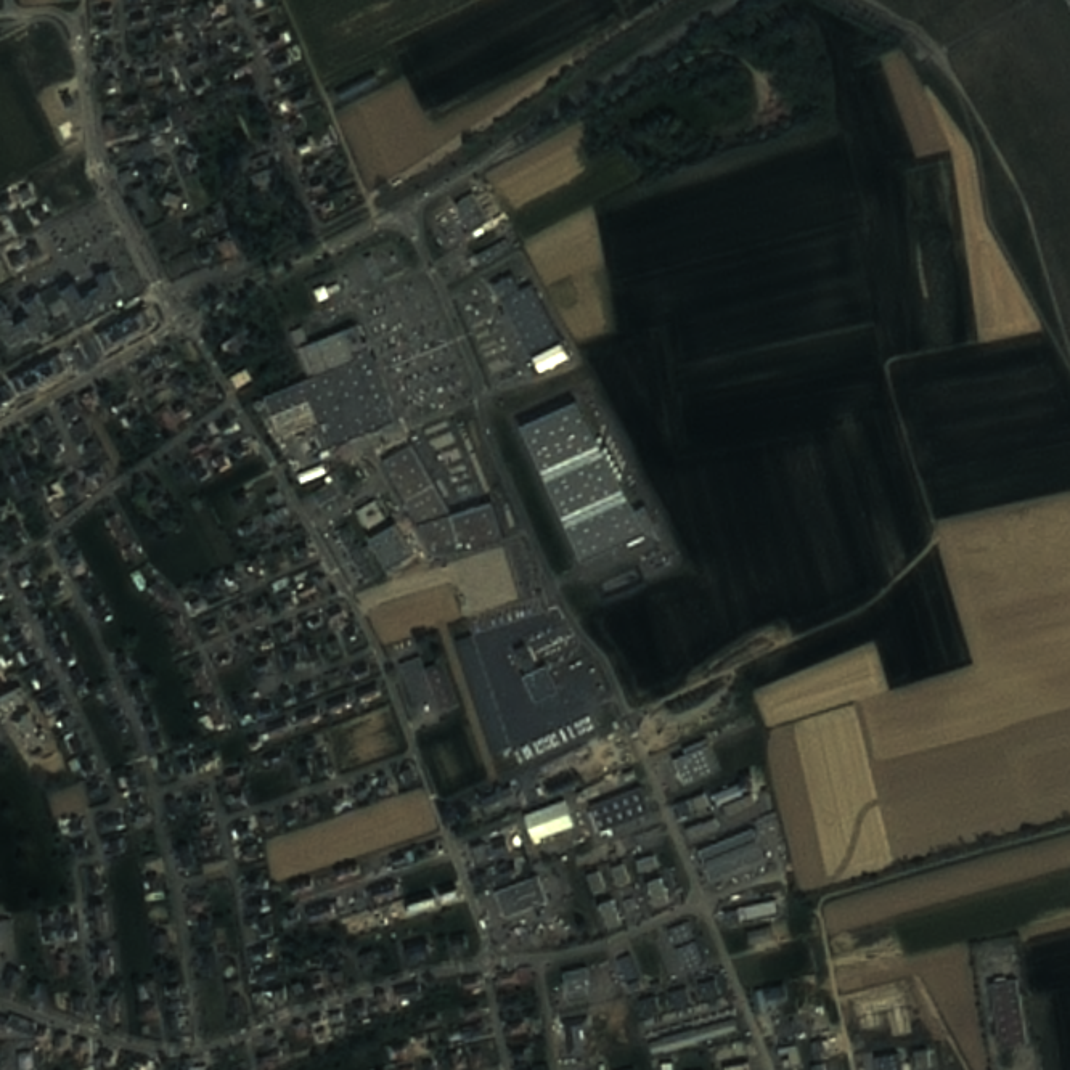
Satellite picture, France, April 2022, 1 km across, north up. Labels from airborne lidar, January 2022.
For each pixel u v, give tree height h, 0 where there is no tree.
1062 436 0
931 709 0
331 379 0
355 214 0
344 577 0
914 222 0
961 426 0
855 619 0
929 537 0
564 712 0
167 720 0
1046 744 0
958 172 0
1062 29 0
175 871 0
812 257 0
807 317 0
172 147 0
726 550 0
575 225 0
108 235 0
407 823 0
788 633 0
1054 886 0
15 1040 0
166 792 0
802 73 18
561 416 0
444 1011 0
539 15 0
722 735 0
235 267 0
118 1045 0
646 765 0
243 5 0
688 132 14
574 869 0
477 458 0
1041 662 0
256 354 10
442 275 0
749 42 12
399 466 0
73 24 0
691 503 0
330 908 0
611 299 0
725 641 0
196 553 0
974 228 0
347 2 0
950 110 0
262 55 0
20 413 0
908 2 0
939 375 0
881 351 0
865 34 0
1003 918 0
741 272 0
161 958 7
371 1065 0
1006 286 0
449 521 0
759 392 0
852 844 0
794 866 0
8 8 0
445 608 0
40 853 0
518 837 0
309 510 0
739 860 0
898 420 0
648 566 0
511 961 0
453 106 0
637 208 0
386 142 0
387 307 0
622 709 0
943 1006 0
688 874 0
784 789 0
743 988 0
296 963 12
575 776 13
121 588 0
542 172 0
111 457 0
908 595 0
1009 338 0
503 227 0
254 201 14
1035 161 0
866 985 0
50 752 0
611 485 0
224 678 0
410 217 0
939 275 0
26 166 0
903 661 0
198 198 0
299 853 0
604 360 0
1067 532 0
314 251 11
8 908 0
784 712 0
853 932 0
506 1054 0
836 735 0
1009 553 0
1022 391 0
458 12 0
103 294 0
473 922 0
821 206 0
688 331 0
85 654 0
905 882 0
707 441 0
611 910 0
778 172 0
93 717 0
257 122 6
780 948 0
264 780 0
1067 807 0
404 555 0
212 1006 0
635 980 0
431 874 0
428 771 0
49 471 16
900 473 0
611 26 0
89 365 0
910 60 0
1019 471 0
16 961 0
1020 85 0
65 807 0
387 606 0
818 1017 0
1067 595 0
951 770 0
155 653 0
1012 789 0
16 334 0
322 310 0
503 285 0
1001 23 0
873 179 0
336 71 0
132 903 0
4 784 0
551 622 0
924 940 0
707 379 0
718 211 0
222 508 0
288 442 0
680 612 0
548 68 0
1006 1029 0
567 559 0
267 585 0
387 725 0
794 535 0
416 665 0
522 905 0
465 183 0
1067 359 0
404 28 0
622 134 15
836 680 0
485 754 0
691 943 0
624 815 0
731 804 0
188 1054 0
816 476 0
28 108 0
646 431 0
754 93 11
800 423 0
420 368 0
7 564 0
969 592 0
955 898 0
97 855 0
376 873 0
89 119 0
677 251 0
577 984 0
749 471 0
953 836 0
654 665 0
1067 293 0
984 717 0
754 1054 0
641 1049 0
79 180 0
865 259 0
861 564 0
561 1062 0
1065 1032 0
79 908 0
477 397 0
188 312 0
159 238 9
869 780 0
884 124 0
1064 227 0
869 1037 0
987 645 0
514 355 0
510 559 0
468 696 0
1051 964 0
